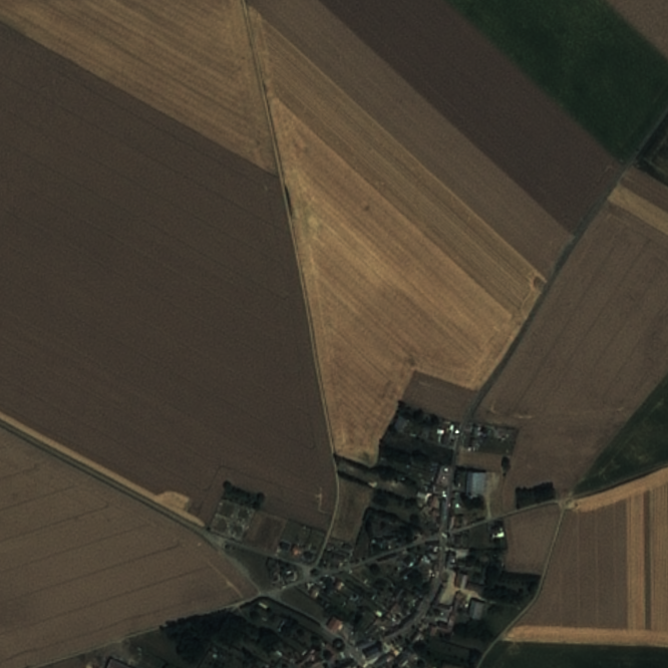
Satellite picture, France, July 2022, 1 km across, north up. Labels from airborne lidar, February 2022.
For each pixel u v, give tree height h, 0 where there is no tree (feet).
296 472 0
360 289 0
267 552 0
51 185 0
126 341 0
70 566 0
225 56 0
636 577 0
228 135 0
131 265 0
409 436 0
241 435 0
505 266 0
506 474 0
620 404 0
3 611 0
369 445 0
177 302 0
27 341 0
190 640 63
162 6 0
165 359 0
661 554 0
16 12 0
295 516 0
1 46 0
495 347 0
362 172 0
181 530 0
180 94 0
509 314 0
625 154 0
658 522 0
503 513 0
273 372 0
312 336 0
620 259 0
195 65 0
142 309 0
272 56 0
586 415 0
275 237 0
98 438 0
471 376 0
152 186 0
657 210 0
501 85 0
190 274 0
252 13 0
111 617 0
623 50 0
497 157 0
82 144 0
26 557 0
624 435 0
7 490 0
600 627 0
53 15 0
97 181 0
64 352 0
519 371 0
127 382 0
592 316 0
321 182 0
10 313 0
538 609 0
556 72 0
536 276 0
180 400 0
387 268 0
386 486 0
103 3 0
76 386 0
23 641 0
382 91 0
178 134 0
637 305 0
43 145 0
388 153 0
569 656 0
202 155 0
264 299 0
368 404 0
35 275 0
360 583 0
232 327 0
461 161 0
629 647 0
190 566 0
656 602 0
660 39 0
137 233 0
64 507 0
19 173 0
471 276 0
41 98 0
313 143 0
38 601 0
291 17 0
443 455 0
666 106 0
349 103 0
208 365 0
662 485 0
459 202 0
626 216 0
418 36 0
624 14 0
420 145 0
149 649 0
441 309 0
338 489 0
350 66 0
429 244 0
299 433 0
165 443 0
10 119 0
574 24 0
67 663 0
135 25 0
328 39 0
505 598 43
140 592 0
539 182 0
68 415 0
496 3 0
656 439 0
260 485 0
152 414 0
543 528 0
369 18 0
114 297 0
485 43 0
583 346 0
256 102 0
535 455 0
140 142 0
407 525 17
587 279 0
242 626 48
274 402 0
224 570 0
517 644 0
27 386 0
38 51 0
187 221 0
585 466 0
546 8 0
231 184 0
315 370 0
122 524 0
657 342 0
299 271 0
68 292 0
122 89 0
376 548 33
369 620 0
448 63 0
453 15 0
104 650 0
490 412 0
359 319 0
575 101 0
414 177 0
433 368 0
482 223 0
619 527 0
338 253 0
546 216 0
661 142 0
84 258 0
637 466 0
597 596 0
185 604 0
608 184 0
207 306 0
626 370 0
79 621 0
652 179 0
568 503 0
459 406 0
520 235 0
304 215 0
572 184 0
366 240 0
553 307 0
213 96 0
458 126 0
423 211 0
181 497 0
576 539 0
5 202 0
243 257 0
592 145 0
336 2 0
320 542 0
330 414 0
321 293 0
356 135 0
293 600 0
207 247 0
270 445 0
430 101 0
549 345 0
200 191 0
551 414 0
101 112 0
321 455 0
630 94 0
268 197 0
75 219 0
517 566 0
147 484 0
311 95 0
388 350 0
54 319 0
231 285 0
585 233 0
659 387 0
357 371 0
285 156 0
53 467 0
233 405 0
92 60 0
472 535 0
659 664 0
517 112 0
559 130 0
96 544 0
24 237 0
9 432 0
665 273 0
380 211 0
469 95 0
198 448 0
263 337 0
